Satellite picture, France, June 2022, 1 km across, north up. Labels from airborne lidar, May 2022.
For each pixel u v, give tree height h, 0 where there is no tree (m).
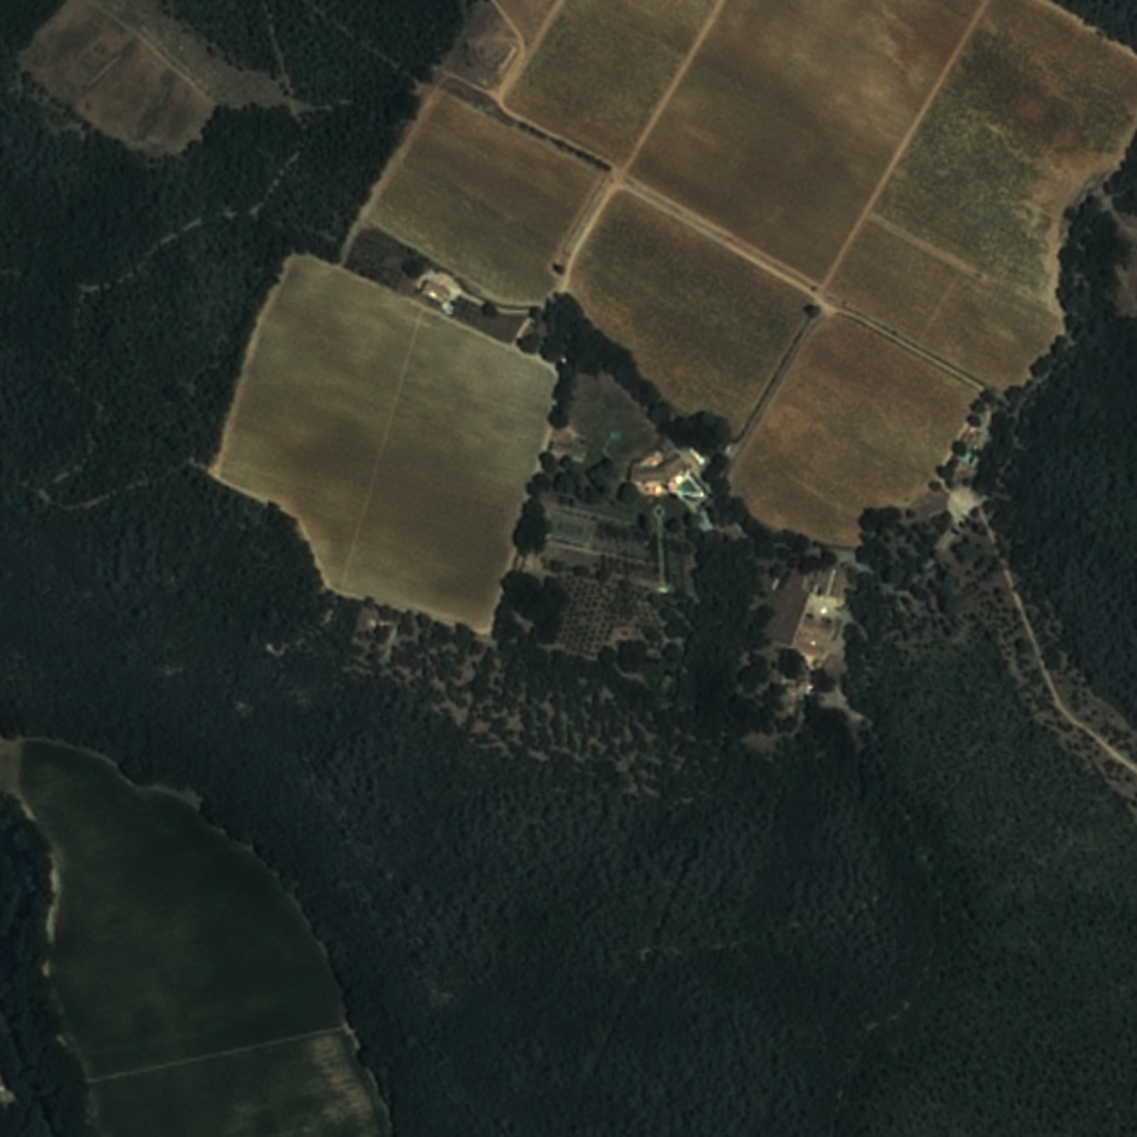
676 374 0
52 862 11
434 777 7
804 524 0
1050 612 10
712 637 13
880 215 0
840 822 21
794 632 0
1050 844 9
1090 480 18
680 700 12
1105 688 17
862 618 9
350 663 6
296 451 0
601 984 6
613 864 17
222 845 0
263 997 0
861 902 19
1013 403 11
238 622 12
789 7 0
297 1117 0
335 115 11
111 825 0
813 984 8
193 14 9
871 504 0
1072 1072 8
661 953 11
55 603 6
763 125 0
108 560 7
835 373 0
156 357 8
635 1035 11
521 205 0
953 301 0
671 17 0
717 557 18
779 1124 16
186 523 7
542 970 8
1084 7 18
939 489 8
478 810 16
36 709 11
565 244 0
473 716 7
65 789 0
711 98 0
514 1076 13
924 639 8
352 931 10
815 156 0
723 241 0
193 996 0
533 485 10
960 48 0
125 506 11
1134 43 16
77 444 16
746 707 15
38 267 15
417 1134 11
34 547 13
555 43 0
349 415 0
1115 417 8
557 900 12
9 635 10
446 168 0
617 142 0
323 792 8
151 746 12
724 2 0
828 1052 9
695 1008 15
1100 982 9
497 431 0
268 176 14
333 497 0
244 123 14
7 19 14
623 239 0
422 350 0
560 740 7
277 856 17
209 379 10
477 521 0
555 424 9
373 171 7
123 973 0
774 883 9
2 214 7
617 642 0
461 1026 7
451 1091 7
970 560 22
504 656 8
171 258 15
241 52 8
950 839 12
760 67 0
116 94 0
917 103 0
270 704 8
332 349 0
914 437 0
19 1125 20
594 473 14
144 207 7
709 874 19
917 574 10
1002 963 8
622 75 0
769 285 0
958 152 0
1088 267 11
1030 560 10
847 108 0
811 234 0
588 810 15
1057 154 0
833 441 0
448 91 0
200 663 8
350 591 0
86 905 0
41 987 16
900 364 0
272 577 7
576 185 0
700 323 0
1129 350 11
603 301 0
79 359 6
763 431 0
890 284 0
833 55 0
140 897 0
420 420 0
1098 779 8
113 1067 0
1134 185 19
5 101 17
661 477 0
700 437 14
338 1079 0
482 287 0
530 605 15
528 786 13
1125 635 17
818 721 18
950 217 0
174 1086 0
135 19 0
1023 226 0
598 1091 8
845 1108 14
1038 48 0
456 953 18
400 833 9
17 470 10
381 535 0
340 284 0
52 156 16
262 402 0
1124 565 18
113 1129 0
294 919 0
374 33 7
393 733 16
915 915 10
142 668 7
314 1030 0
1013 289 0
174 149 0
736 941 7
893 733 10
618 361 12
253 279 8
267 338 0
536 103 0
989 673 7
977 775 8
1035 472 9
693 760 11
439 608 0
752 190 0
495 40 0
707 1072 13
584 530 0
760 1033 17
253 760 10
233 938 0
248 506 7
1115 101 0
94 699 11
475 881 16
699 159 0
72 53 0
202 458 8
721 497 13
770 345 0
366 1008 16
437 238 0
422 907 6
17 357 9
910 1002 8
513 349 0
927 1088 12
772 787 10
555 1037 11
